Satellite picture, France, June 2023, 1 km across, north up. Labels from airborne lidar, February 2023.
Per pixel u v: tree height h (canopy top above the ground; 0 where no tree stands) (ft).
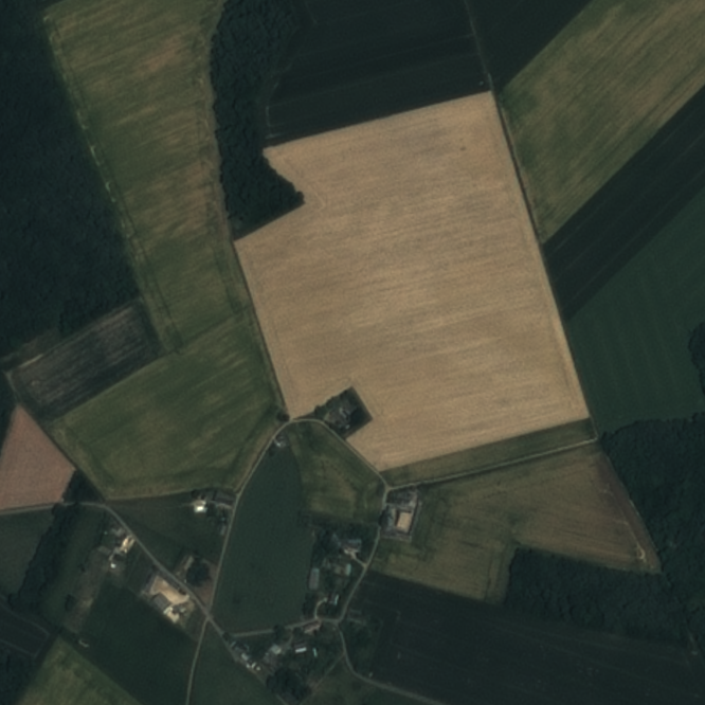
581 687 0
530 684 0
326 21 0
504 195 0
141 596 0
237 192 62
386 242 0
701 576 47
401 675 0
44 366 0
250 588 0
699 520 42
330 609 22
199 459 0
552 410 0
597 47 0
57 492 0
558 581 56
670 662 0
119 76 0
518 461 0
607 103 0
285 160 0
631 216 0
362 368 0
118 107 0
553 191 0
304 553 0
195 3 0
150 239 0
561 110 0
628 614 77
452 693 0
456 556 0
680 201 0
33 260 82
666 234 0
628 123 0
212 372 0
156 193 0
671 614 64
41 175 87
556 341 0
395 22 0
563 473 0
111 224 70
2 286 85
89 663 0
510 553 0
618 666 0
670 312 0
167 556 0
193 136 0
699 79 0
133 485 0
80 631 0
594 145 0
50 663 0
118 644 0
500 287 0
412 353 0
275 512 0
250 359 0
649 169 0
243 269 0
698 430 55
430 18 0
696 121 0
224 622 0
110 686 0
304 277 0
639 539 0
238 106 54
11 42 67
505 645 0
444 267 0
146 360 0
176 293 0
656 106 0
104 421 0
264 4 29
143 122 0
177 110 0
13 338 67
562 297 0
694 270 0
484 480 0
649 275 0
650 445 65
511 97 0
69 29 0
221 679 0
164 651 0
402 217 0
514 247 0
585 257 0
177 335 0
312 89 0
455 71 0
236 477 0
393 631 0
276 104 0
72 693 0
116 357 0
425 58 0
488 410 0
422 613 0
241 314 0
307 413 0
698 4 0
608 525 0
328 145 0
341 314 0
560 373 0
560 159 0
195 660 0
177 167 0
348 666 0
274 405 0
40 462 0
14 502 0
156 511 0
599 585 54
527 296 0
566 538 0
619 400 0
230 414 0
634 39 0
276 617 0
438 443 0
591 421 0
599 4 0
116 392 0
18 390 0
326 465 0
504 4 0
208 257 0
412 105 0
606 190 0
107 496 0
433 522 0
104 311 21
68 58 0
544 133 0
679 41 0
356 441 0
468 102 0
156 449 0
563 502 0
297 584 0
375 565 0
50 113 65
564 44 0
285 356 0
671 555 63
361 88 0
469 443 0
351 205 0
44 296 87
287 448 0
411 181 0
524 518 0
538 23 0
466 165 0
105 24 0
